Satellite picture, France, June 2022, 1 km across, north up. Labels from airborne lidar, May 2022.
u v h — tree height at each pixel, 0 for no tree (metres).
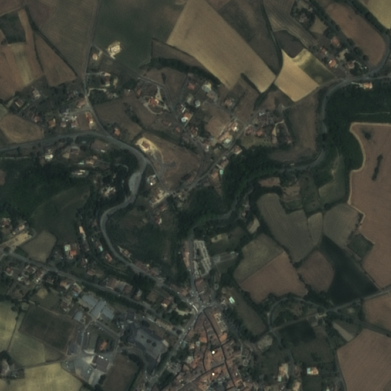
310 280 0
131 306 14
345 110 6
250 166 16
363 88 6
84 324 0
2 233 11
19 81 0
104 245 7
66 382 0
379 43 0
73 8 0
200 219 23
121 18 0
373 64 0
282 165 11
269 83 0
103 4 0
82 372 0
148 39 0
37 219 0
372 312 0
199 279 0
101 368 0
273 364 0
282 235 0
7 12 0
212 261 0
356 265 0
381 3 0
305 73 0
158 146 0
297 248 0
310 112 0
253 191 12
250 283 0
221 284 8
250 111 0
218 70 0
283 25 0
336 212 0
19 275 7
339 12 0
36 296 0
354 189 0
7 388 0
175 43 0
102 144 0
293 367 0
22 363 0
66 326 0
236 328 6
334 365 6
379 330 0
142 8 0
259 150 8
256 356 9
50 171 9
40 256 0
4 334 0
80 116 0
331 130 13
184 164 0
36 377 0
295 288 0
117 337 0
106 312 0
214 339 0
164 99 11
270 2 0
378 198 0
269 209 0
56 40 0
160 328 0
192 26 0
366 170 0
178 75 0
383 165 0
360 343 0
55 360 0
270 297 9
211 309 0
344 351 0
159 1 0
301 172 6
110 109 0
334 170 0
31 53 0
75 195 0
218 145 7
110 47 0
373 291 0
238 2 0
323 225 0
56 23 0
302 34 0
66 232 0
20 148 13
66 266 10
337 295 0
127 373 0
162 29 0
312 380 0
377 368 0
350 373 0
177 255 7
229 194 7
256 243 0
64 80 0
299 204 0
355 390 0
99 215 13
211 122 0
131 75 0
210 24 0
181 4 0
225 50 0
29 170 10
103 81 7
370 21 18
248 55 0
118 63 0
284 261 0
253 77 0
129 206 11
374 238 0
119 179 9
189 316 8
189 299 0
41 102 7
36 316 0
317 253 0
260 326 0
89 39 0
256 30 0
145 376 0
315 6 12
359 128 0
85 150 11
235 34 0
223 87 0
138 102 0
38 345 0
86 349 0
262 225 13
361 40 0
